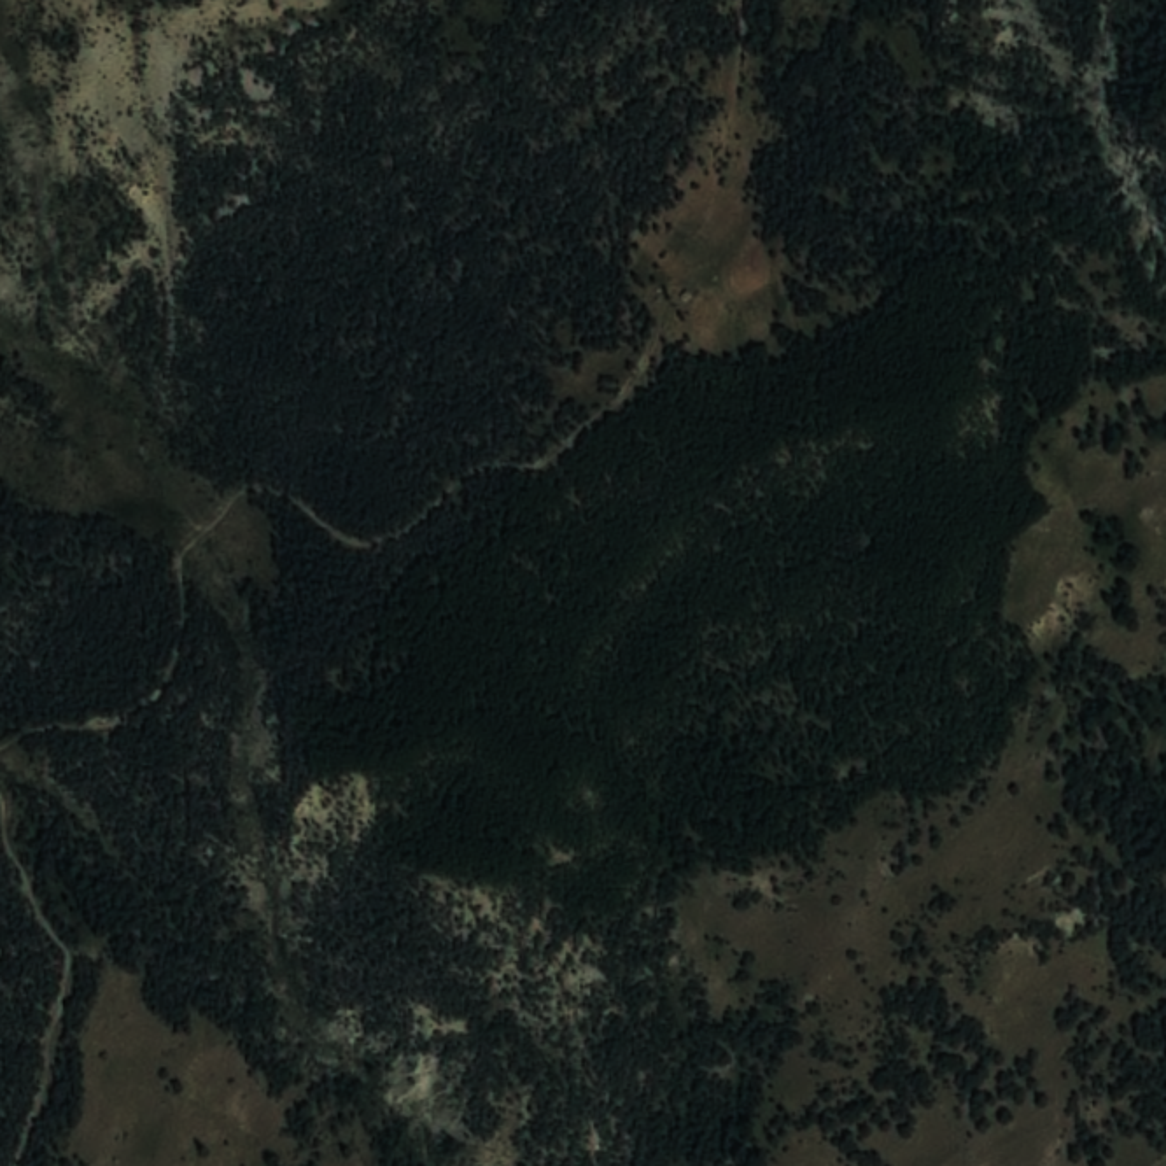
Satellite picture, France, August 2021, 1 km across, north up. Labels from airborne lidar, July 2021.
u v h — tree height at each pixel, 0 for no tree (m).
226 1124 0
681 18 8
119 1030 0
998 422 9
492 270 15
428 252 10
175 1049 0
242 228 9
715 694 11
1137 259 11
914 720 12
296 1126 8
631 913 8
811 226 14
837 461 9
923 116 10
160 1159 0
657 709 11
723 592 15
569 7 10
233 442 8
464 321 17
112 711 10
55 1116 16
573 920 12
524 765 19
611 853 9
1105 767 17
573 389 0
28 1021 15
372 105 13
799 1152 0
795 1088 0
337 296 11
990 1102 16
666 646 19
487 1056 11
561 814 17
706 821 13
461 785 17
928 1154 0
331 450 12
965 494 19
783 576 13
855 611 10
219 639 9
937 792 13
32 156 0
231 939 7
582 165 9
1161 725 10
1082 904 10
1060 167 14
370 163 15
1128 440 20
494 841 19
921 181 9
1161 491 0
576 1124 8
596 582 17
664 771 9
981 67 14
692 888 7
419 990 12
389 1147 15
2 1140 14
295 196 9
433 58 8
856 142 13
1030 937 5
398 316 15
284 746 12
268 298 14
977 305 9
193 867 10
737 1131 17
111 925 16
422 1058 9
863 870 0
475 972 8
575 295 14
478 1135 13
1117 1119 13
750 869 12
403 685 17
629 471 16
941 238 15
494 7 0
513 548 8
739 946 0
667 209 6
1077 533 0
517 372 12
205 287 12
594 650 6
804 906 0
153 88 0
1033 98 13
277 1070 10
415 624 16
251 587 13
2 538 17
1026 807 0
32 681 15
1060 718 0
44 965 8
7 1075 14
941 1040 8
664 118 15
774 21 11
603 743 16
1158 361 14
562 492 16
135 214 6
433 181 7
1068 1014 11
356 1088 11
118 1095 0
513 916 7
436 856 18
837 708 12
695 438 15
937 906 9
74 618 13
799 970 0
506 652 18
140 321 8
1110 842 11
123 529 8
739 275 0
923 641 12
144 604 12
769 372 15
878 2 18
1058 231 14
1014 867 0
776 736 14
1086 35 8
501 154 13
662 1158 16
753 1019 14
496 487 14
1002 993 0
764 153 8
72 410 0
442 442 14
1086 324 9
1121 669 11
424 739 16
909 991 7
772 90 13
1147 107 17
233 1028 13
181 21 0
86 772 10
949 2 8
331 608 11
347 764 18
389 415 14
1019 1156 0
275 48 8
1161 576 0
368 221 13
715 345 0
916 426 16
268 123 8
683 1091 11
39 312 8
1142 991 9
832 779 11
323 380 16
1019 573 0
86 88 0
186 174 9
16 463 0
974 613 15
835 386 16
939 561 18
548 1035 7
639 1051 9
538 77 7
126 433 0
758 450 18
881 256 9
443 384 7
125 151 8
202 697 12
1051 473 0
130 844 8
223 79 10
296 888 9
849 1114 16
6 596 16
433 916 6
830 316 7
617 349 8
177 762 14
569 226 12
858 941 0
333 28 9
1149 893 9
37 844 11
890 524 16
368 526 11
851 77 15
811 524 17
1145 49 13
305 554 10
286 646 11
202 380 8
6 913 15
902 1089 14
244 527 0
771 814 13
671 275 0
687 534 7
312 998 7
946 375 18
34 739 9
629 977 6
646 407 17
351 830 7
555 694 12
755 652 8
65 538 11
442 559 17
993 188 15
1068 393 18
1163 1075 12
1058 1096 0
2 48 0
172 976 16
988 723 17
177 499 0
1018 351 16
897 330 16
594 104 12
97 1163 0
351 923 15
